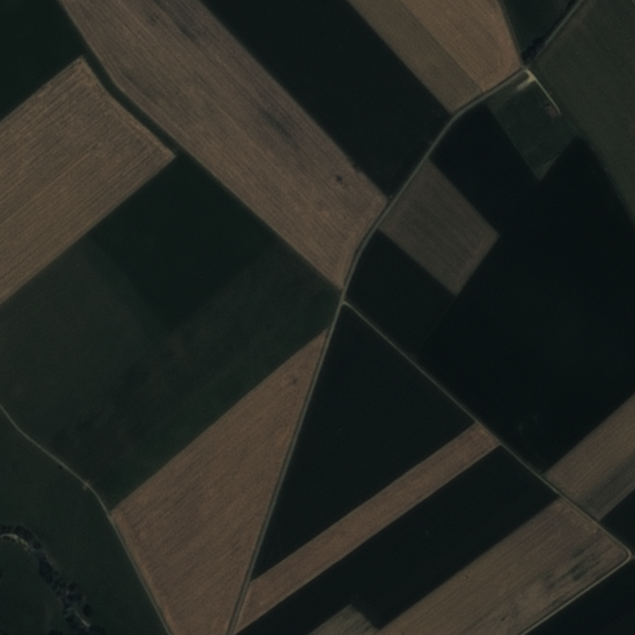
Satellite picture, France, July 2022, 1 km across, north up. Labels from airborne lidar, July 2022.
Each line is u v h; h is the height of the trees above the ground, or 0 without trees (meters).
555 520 0
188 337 0
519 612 0
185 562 0
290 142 0
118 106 0
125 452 0
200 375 0
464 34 0
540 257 0
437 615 0
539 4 0
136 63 0
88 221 0
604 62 0
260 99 0
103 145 0
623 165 0
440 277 0
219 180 0
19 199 0
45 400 0
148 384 0
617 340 0
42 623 0
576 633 0
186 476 0
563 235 0
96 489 0
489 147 0
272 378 0
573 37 0
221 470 0
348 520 0
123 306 0
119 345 0
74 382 0
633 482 0
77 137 0
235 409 0
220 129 0
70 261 0
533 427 0
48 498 0
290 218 0
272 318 0
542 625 0
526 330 0
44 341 0
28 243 0
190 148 0
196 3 0
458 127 0
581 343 0
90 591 0
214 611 0
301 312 0
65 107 0
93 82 0
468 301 0
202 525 0
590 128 0
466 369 0
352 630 0
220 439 0
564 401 0
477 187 0
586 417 0
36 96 0
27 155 0
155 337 0
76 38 0
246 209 0
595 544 0
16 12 0
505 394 0
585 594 0
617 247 0
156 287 0
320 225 0
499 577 0
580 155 0
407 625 0
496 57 0
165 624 0
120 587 0
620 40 0
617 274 0
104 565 0
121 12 0
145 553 0
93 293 0
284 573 0
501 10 0
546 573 0
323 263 0
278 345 0
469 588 0
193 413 0
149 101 0
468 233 0
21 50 0
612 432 0
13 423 0
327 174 0
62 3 0
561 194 0
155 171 0
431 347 0
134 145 0
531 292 0
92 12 0
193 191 0
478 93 0
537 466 0
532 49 12
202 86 0
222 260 0
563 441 0
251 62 0
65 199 0
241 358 0
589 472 0
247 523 0
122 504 0
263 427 0
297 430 0
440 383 0
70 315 0
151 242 0
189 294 0
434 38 0
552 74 0
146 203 0
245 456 0
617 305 0
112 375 0
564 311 0
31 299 0
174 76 0
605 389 0
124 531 0
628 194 0
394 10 0
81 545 0
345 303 0
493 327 0
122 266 0
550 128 0
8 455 0
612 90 0
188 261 0
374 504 0
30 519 0
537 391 0
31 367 0
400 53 0
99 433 0
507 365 0
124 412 0
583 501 0
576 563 0
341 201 0
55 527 0
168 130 0
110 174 0
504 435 0
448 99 0
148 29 0
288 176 0
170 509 0
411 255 0
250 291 0
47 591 0
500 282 0
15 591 0
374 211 0
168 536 0
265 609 0
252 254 0
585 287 0
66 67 0
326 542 0
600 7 0
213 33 0
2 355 0
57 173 0
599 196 0
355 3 0
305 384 0
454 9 0
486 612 0
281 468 0
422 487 0
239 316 0
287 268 0
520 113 0
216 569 0
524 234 0
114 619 0
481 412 0
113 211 0
